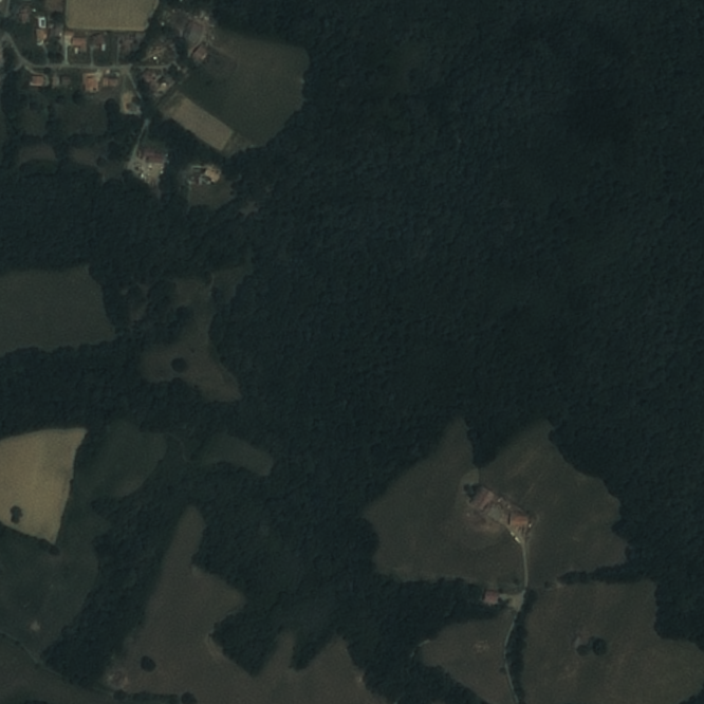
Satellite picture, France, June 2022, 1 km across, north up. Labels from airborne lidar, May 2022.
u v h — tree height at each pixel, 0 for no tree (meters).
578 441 19
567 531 0
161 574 0
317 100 24
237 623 8
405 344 13
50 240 20
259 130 0
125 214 27
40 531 0
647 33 11
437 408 12
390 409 7
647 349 10
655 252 27
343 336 19
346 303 19
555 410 23
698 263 21
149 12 0
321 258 20
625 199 23
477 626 0
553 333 8
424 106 10
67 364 27
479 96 17
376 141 7
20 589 0
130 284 17
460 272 5
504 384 9
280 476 10
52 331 0
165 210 17
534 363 14
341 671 0
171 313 18
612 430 13
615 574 17
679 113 28
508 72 15
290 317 19
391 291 12
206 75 0
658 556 17
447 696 12
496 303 5
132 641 0
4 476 0
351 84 22
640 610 0
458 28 27
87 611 15
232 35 0
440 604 17
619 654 0
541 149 10
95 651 27
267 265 22
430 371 6
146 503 8
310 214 15
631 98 19
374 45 13
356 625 7
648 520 24
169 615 0
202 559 10
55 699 0
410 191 21
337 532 23
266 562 8
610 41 9
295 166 19
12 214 24
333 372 18
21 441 0
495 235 24
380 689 12
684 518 16
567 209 8
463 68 14
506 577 0
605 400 26
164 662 0
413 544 0
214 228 12
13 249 19
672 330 18
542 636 0
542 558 0
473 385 8
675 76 22
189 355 0
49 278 0
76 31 0
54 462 0
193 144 20
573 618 0
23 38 0
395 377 12
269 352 23
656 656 0
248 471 7
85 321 0
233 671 0
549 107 18
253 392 20
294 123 12
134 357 24
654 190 24
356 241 18
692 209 21
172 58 0
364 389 20
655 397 24
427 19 23
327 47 16
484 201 20
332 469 24
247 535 15
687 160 24
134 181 15
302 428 22
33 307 0
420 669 12
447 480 0
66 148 14
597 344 15
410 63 0
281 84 0
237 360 17
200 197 0
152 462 0
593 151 8
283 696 0
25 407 25
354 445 24
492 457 18
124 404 21
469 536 0
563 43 17
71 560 0
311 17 22
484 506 0
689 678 0
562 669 0
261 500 8
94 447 8
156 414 13
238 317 21
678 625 21
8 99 25
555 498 0
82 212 24
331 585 11
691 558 14
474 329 7
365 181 20
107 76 0
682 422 16
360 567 15
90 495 0
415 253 16
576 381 10
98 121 0
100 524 0
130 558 19
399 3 23
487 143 18
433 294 13
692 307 13
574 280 6
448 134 16
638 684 0
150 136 7
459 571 0
